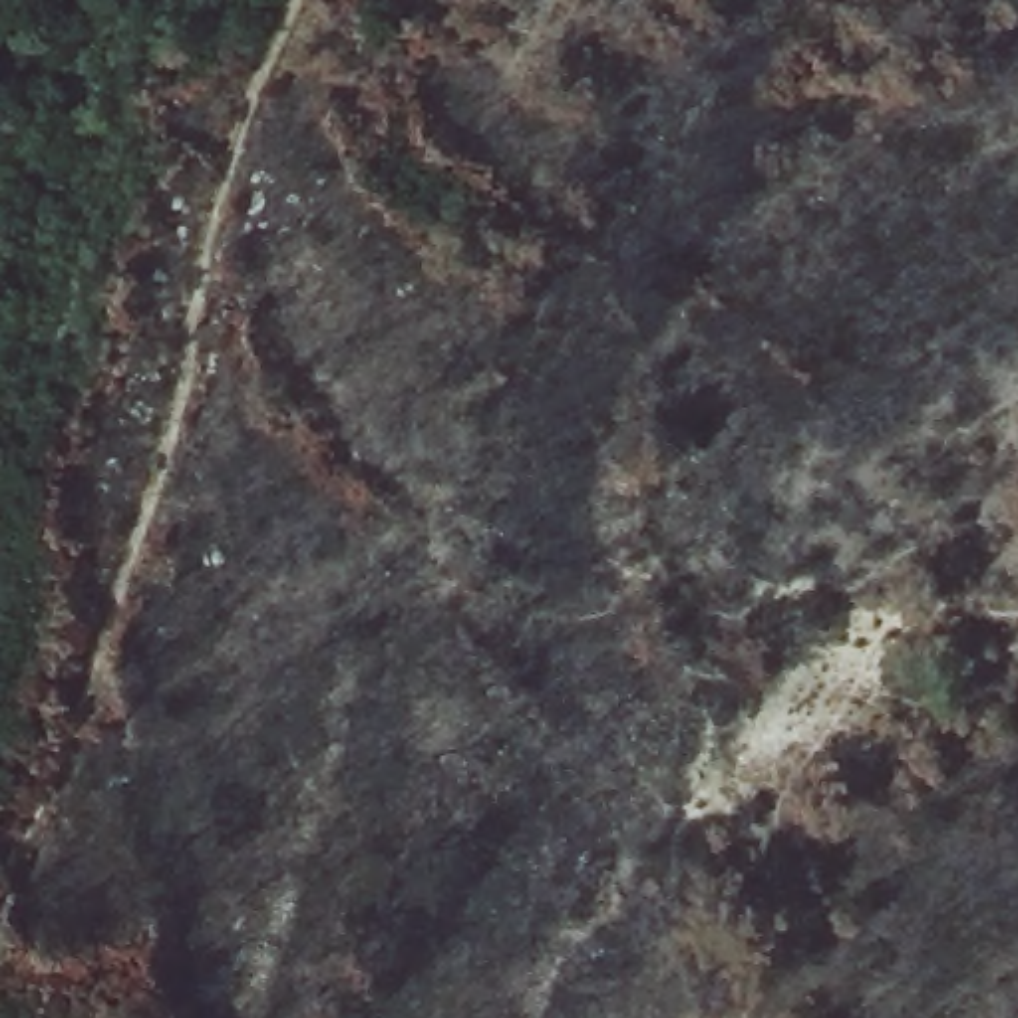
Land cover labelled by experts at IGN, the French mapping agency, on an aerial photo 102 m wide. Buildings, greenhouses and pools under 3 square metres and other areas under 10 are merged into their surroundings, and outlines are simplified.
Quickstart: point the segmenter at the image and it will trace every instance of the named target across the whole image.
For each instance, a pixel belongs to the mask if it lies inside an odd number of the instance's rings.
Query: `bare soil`
[[[52,449],[44,461],[60,465],[64,477],[56,529],[44,533],[48,616],[40,620],[36,640],[44,672],[56,676],[60,700],[44,700],[44,708],[28,716],[28,736],[12,756],[12,775],[0,771],[0,1018],[1018,1018],[1018,24],[998,32],[1002,48],[974,76],[966,99],[919,103],[919,91],[911,87],[911,76],[919,72],[915,48],[903,48],[883,28],[867,24],[855,8],[831,0],[290,0],[282,28],[274,32],[278,40],[286,40],[286,52],[278,60],[274,80],[262,87],[258,103],[247,103],[247,80],[258,72],[262,60],[239,56],[235,64],[219,60],[203,76],[207,91],[199,91],[187,103],[175,99],[159,119],[167,135],[167,167],[159,175],[159,195],[151,195],[143,211],[151,227],[147,251],[127,262],[127,278],[107,282],[111,334],[107,358],[95,366],[95,394],[76,398],[68,422],[68,449]],[[410,215],[394,211],[378,191],[370,191],[358,167],[370,155],[382,155],[382,135],[390,131],[390,119],[406,123],[406,139],[422,163],[445,167],[453,179],[477,187],[477,207],[461,207],[457,219],[441,219],[433,227],[414,223]],[[187,298],[199,282],[203,223],[231,159],[235,123],[251,127],[243,159],[255,167],[251,183],[266,183],[266,195],[251,199],[251,187],[239,187],[231,195],[231,207],[219,227],[227,270],[223,282],[211,286],[199,326],[187,326]],[[159,437],[167,429],[171,398],[183,370],[183,346],[199,346],[199,354],[219,354],[219,370],[203,378],[191,394],[183,437],[175,445],[175,473],[159,497],[131,593],[115,604],[115,573],[127,557],[127,537],[135,529],[143,489],[151,481],[151,453],[159,449]]]

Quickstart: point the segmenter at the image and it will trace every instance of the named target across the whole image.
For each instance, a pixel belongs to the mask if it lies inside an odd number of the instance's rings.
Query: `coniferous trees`
[[[919,91],[919,103],[966,99],[974,76],[1002,48],[998,32],[1018,24],[1018,0],[831,0],[855,8],[867,24],[883,28],[903,48],[915,48],[919,72],[911,76],[911,87]]]

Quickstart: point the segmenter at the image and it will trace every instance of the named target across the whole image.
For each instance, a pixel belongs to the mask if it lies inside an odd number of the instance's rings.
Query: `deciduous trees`
[[[48,616],[44,533],[56,529],[64,477],[60,465],[44,461],[52,449],[68,449],[68,422],[76,398],[95,394],[95,366],[107,358],[111,334],[107,282],[127,278],[127,262],[147,251],[151,227],[143,211],[151,195],[159,195],[159,175],[167,167],[167,135],[159,119],[175,99],[187,103],[199,91],[207,91],[203,76],[219,60],[235,64],[239,56],[262,60],[258,72],[247,80],[247,103],[258,103],[262,87],[274,80],[278,60],[286,52],[286,40],[278,40],[274,32],[282,28],[290,0],[0,0],[0,771],[12,775],[12,756],[28,736],[28,716],[44,708],[44,700],[60,700],[56,676],[44,672],[36,640],[40,620]]]
[[[115,573],[115,604],[131,593],[159,497],[175,473],[175,445],[183,437],[191,394],[203,378],[219,370],[219,354],[199,354],[199,346],[183,346],[183,370],[171,398],[167,429],[159,437],[159,449],[151,453],[151,481],[143,489],[135,529],[127,537],[127,557]]]
[[[477,207],[477,187],[453,179],[445,167],[422,163],[406,139],[406,123],[390,119],[390,131],[382,135],[382,155],[370,155],[358,167],[370,191],[378,191],[394,211],[410,215],[414,223],[433,227],[441,219],[457,219],[461,207]]]
[[[231,159],[203,223],[199,282],[187,298],[187,326],[199,326],[211,286],[223,282],[227,270],[219,227],[231,207],[231,195],[239,187],[251,187],[251,199],[266,195],[266,183],[251,183],[255,167],[243,159],[251,127],[235,123]]]

